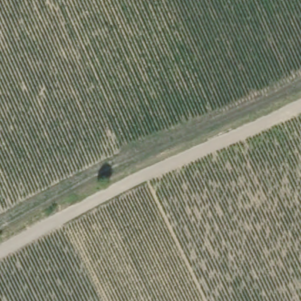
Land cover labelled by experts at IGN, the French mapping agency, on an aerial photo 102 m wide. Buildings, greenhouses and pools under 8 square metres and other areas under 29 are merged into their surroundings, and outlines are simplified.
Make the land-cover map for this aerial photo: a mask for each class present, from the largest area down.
<instances>
[{"label":"vineyard","instance_id":"1","mask_svg":"<svg viewBox=\"0 0 301 301\"><path fill-rule=\"evenodd\" d=\"M301 68V0H0V214L22 201L45 192L60 181L72 178L76 173L96 165L101 167L106 159L113 158L114 154L119 153L123 141H134L139 136L176 125L181 122V115L188 120V116L206 114V107L209 105L212 109L222 108L257 89L274 86L275 82L287 78L292 71ZM0 301H301V114L270 127L267 131L249 136L246 140L215 150L212 154L190 162L181 169L170 170L161 178L146 180L123 190L113 198L66 221L55 232L41 236L40 239L28 243L0 260Z\"/></svg>","mask_w":301,"mask_h":301},{"label":"herbaceous vegetation","instance_id":"2","mask_svg":"<svg viewBox=\"0 0 301 301\"><path fill-rule=\"evenodd\" d=\"M301 99V68L292 71L287 78L275 82L274 86L257 89L222 108L212 109L209 105L206 107V114L188 116V120L181 115V122L176 125L139 136L134 141H123L119 153L114 154L113 158L106 159L101 167L96 165L76 173L72 178L60 181L45 192L22 201L0 214V243L21 233L34 223L46 219L54 212L85 200L112 183L127 178L128 175Z\"/></svg>","mask_w":301,"mask_h":301},{"label":"pervious surface","instance_id":"3","mask_svg":"<svg viewBox=\"0 0 301 301\"><path fill-rule=\"evenodd\" d=\"M301 114V99L128 175L127 178L112 183L85 200L54 212L46 219L34 223L21 233L0 243V260L28 243L40 239L41 236L55 232L66 221L113 198L123 190L146 180L161 178L170 170L181 169L190 162L212 154L215 150L246 140L249 136L267 131L270 127Z\"/></svg>","mask_w":301,"mask_h":301}]
</instances>
